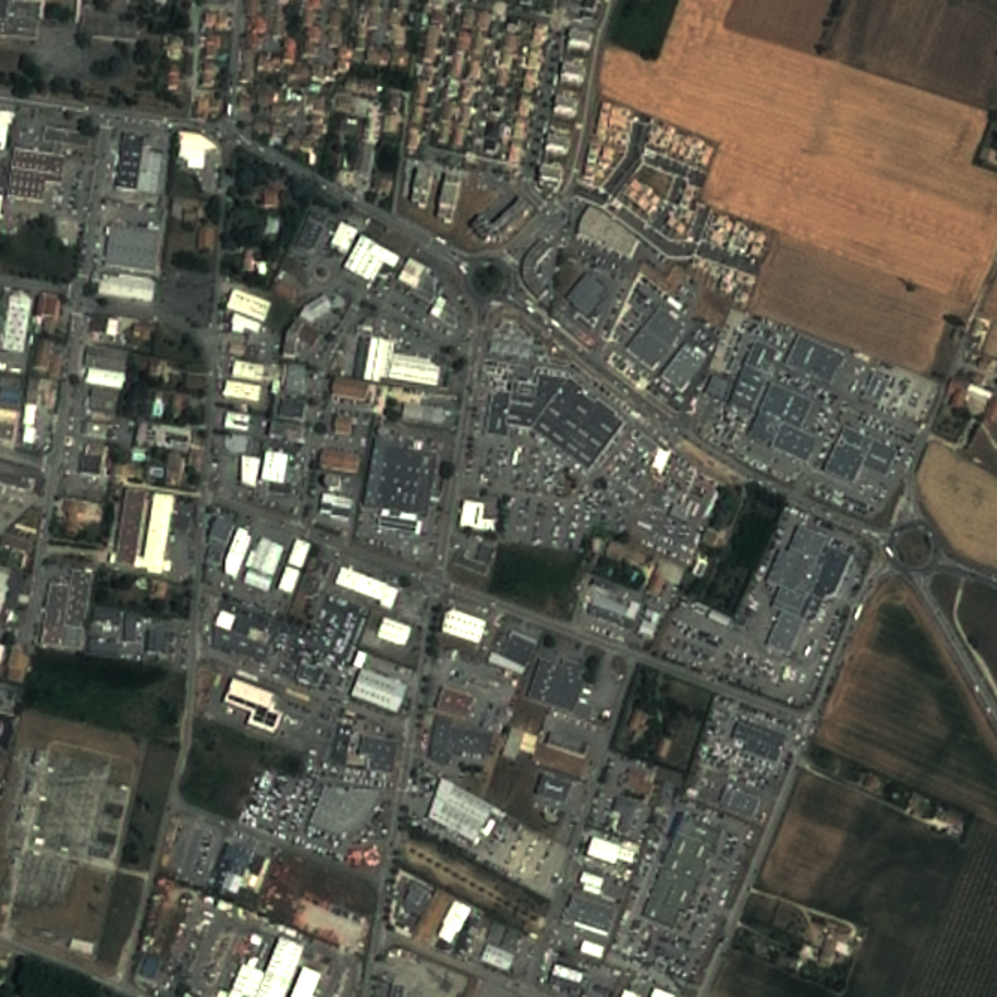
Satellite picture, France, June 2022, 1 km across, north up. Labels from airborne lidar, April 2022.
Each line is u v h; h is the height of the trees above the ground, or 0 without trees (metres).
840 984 9
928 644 0
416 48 7
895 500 0
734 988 0
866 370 0
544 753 0
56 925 0
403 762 0
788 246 0
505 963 0
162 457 6
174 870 0
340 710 0
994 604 0
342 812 0
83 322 0
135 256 0
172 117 0
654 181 0
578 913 0
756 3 0
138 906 0
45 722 0
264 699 0
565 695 0
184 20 12
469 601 0
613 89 0
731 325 0
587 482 0
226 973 0
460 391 0
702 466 0
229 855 0
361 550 0
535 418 0
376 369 0
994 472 0
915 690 0
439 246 0
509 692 0
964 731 0
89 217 0
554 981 0
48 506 0
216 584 0
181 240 0
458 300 0
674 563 0
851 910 0
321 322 0
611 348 0
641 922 0
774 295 0
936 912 0
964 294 0
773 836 0
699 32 0
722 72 0
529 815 0
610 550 0
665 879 0
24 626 0
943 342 0
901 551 0
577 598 0
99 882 0
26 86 7
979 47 0
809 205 0
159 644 0
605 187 0
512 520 0
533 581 0
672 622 0
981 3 0
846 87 0
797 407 0
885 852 0
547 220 0
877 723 0
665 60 0
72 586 0
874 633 0
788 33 0
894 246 0
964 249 0
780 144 0
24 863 0
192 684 0
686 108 0
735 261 0
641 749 9
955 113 0
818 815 0
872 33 0
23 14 0
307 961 0
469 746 0
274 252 12
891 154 0
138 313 0
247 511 0
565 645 0
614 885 0
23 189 0
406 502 0
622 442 0
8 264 0
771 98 0
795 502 0
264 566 0
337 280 0
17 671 0
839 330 0
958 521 0
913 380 0
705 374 0
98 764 0
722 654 0
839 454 0
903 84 0
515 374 0
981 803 0
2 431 0
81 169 0
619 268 0
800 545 0
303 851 0
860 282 0
